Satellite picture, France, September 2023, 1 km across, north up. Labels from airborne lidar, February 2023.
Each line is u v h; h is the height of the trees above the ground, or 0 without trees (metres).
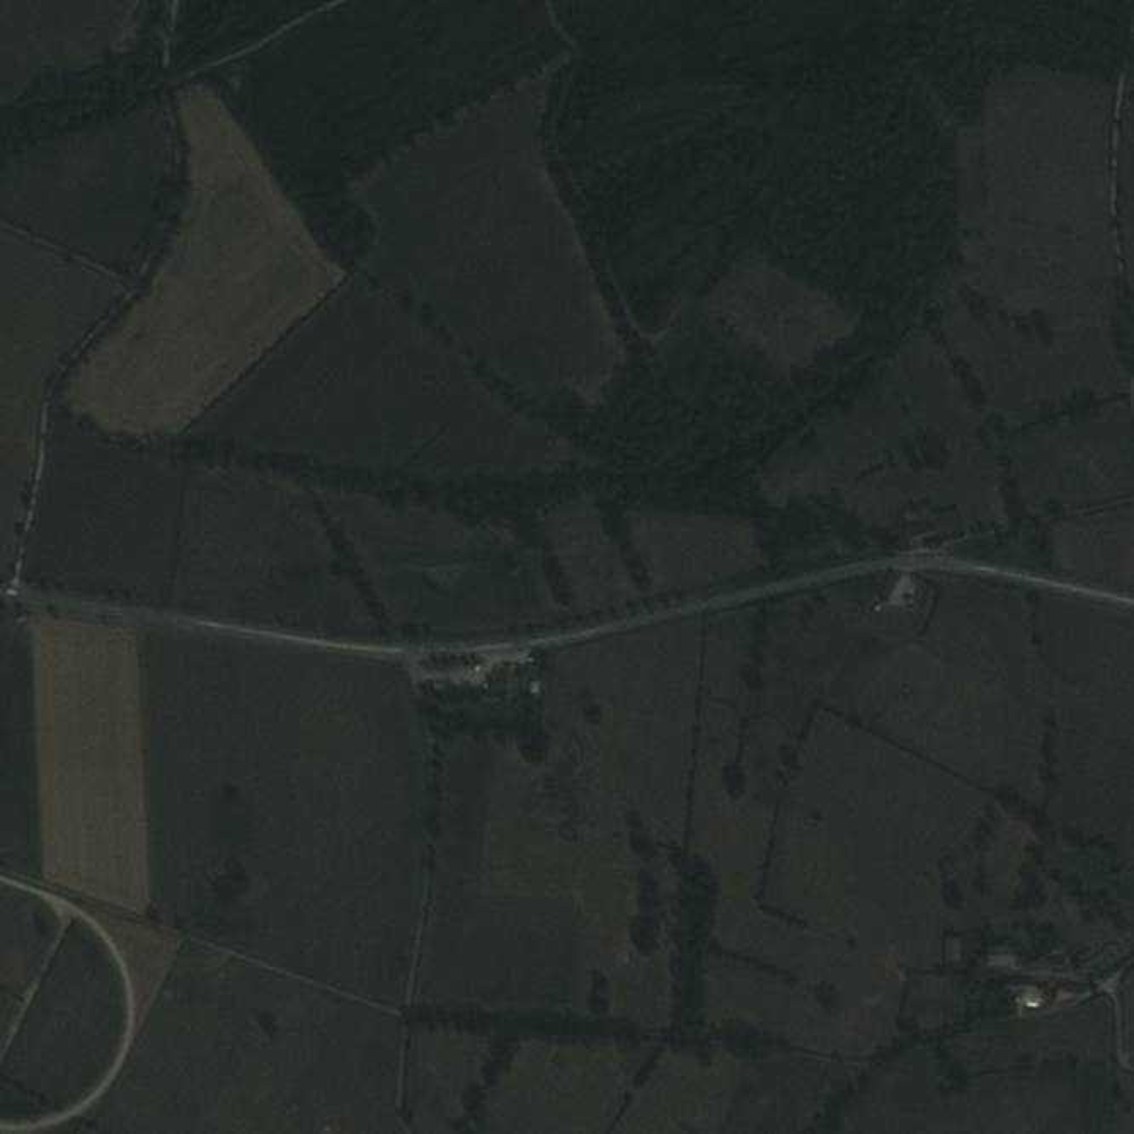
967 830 0
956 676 0
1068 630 0
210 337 0
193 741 0
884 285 20
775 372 0
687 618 0
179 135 8
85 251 0
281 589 0
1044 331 18
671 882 0
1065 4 14
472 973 0
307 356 0
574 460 0
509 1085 0
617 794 0
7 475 0
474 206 0
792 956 0
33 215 0
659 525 0
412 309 13
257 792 0
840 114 8
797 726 0
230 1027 0
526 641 0
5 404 0
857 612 0
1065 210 0
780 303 0
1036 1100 0
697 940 14
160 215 15
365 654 0
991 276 0
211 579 0
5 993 0
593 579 0
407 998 0
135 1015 0
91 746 0
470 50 0
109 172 0
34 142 7
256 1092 0
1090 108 0
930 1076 0
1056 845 0
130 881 0
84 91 10
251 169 0
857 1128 0
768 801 0
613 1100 0
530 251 0
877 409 0
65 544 0
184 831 0
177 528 0
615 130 0
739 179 0
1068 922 0
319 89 0
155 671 0
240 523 0
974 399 18
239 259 0
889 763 0
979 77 14
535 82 0
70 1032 0
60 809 0
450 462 0
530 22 0
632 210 11
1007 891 0
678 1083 0
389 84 0
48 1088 0
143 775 0
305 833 0
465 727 15
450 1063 0
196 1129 0
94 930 0
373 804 0
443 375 0
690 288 0
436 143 0
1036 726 0
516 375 0
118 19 0
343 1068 0
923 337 0
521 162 0
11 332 0
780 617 0
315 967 0
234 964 0
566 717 0
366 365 0
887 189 16
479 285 0
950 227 16
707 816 0
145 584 0
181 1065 0
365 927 0
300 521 0
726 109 0
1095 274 0
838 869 0
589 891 0
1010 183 0
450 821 0
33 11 0
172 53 10
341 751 0
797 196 16
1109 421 0
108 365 0
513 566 13
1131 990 0
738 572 0
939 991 0
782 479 0
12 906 0
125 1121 0
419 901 0
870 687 0
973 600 0
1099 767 0
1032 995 0
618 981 0
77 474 0
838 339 0
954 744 0
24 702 0
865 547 10
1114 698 0
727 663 0
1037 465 0
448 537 0
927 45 23
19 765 0
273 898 0
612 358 0
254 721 0
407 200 0
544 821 0
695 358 0
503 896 0
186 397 0
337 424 0
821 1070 0
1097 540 0
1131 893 0
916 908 0
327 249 19
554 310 0
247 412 0
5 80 0
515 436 0
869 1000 0
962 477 0
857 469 0
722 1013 0
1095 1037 0
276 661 0
